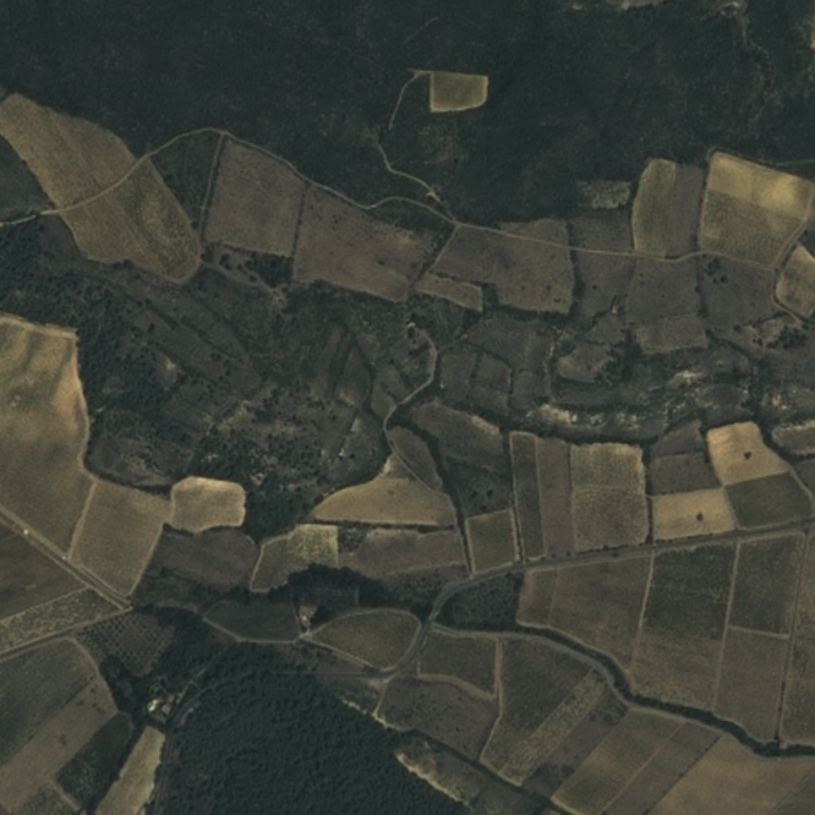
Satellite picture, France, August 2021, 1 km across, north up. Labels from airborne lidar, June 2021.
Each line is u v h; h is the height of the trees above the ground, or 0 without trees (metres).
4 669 0
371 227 0
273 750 10
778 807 0
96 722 0
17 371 0
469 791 0
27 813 0
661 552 0
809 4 0
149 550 0
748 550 0
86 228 0
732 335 0
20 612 0
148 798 0
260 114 0
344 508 0
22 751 0
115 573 0
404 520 0
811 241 0
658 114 0
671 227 0
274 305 0
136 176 0
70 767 0
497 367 0
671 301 0
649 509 0
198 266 0
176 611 6
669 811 0
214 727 11
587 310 0
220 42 0
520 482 0
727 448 0
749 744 7
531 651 0
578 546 0
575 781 0
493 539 0
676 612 0
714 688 0
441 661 0
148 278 0
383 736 10
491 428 0
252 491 9
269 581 0
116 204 0
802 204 0
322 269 0
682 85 0
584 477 0
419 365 0
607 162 0
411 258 0
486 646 0
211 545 0
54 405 0
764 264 0
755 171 0
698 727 0
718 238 0
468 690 0
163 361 0
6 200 0
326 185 0
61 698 0
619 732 0
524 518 0
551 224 0
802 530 0
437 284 0
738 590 0
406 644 0
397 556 0
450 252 0
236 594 12
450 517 0
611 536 0
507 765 0
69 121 0
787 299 0
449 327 0
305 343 0
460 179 0
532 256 0
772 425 0
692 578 0
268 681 12
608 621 0
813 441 0
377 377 0
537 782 0
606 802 0
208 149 0
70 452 0
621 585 0
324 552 0
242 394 0
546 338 0
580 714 0
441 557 0
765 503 0
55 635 0
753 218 0
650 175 0
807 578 0
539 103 0
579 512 0
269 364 0
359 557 0
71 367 0
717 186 0
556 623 0
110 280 0
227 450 9
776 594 0
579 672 0
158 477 0
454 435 0
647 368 0
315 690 11
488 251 0
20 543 0
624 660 0
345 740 14
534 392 0
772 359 0
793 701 0
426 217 0
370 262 0
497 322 0
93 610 0
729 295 0
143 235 0
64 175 0
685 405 0
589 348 0
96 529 0
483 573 0
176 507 0
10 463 0
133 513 0
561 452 0
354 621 0
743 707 0
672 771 0
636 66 0
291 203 0
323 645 0
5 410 0
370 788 12
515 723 0
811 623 0
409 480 0
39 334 0
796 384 0
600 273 0
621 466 0
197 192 0
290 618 0
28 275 10
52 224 0
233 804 11
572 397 0
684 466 0
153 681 7
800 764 0
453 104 0
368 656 0
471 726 0
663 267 0
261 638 0
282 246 0
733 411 0
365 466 0
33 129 0
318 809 9
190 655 9
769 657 0
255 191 0
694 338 0
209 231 0
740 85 0
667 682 0
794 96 0
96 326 7
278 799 10
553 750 0
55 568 0
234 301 0
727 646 0
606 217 0
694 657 0
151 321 0
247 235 0
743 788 0
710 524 0
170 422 0
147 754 0
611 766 0
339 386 0
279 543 0
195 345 0
